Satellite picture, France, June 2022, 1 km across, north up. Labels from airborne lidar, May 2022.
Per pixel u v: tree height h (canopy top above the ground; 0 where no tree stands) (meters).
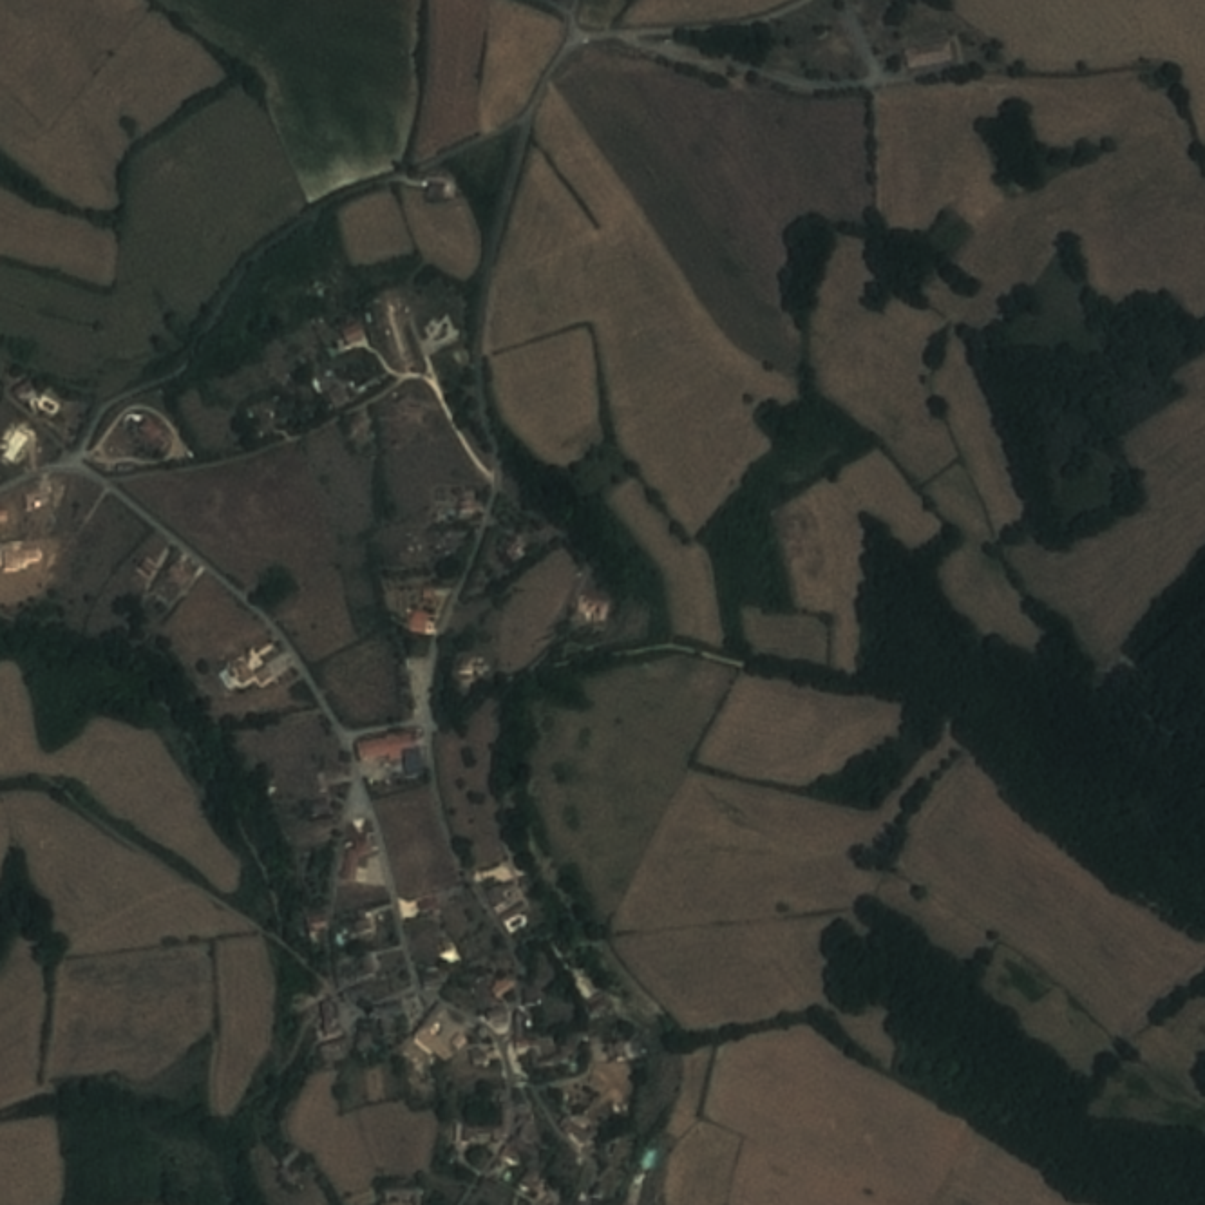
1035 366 17
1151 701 20
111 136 0
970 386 0
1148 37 0
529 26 0
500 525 7
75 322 0
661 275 0
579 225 0
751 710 0
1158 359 10
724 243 0
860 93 9
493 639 0
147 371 5
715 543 7
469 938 7
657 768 0
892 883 0
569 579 0
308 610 0
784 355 0
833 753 0
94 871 0
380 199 0
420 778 6
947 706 14
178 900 0
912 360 0
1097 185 0
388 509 8
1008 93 0
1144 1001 0
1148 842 16
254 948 0
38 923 20
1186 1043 0
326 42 0
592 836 0
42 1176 0
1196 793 23
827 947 15
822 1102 0
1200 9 0
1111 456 6
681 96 0
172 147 0
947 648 21
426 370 0
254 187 0
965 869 0
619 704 0
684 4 0
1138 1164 17
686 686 0
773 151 0
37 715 6
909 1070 13
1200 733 18
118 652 19
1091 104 0
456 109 0
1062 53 0
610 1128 10
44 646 15
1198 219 0
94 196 0
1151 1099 0
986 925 0
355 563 0
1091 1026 0
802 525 0
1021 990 0
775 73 0
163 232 0
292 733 0
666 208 0
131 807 0
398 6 0
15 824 0
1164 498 0
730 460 0
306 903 7
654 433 0
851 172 0
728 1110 0
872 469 0
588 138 0
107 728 0
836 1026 13
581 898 0
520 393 0
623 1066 0
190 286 0
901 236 13
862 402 0
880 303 21
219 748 9
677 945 0
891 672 16
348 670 0
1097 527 14
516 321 0
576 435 0
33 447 0
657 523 0
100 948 0
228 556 0
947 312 0
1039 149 13
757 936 0
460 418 10
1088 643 0
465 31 0
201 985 0
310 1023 0
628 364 0
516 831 18
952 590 0
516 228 0
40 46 0
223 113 0
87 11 0
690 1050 13
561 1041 12
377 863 0
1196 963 0
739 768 0
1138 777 18
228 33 0
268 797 8
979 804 0
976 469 0
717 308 0
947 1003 24
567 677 10
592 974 17
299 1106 0
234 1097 0
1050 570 0
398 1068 6
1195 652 13
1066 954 0
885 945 19
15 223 0
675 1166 0
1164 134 0
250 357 9
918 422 0
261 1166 0
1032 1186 0
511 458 10
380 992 0
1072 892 0
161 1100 8
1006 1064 20
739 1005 0
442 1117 7
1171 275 0
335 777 0
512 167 0
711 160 0
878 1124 0
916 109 0
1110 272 0
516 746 15
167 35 0
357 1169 0
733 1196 0
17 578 0
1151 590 0
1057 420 7
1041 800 16
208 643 0
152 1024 0
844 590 0
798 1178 0
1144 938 0
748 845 0
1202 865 15
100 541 0
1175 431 0
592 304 0
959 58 0
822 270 18
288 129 0
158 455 8
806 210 0
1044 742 19
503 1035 0
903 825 18
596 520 10
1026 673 25
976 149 0
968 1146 0
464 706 8
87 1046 0
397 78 0
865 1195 0
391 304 0
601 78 0
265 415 0
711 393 0
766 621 0
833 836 0
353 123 0
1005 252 0
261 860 10
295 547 0
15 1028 0
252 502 0
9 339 9
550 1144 9
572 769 0
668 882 0
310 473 0
